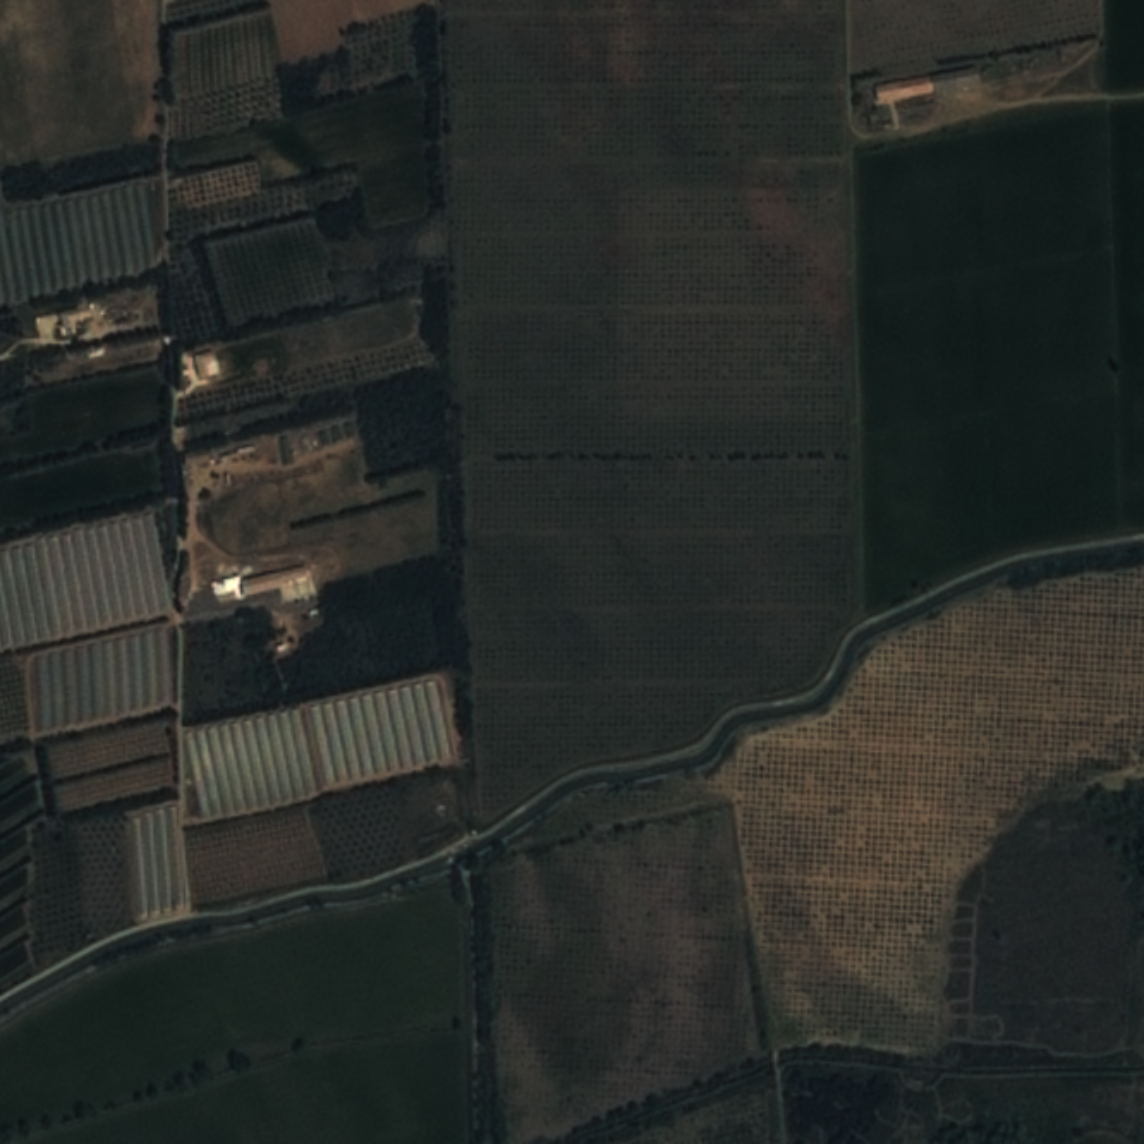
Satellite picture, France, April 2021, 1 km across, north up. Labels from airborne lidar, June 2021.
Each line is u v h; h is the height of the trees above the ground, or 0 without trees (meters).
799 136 0
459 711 6
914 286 0
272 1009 0
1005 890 0
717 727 0
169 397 9
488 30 0
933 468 0
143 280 7
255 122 6
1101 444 0
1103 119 0
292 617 0
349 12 0
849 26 0
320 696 8
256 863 0
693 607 0
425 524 0
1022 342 0
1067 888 0
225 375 0
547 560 0
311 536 0
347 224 6
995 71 0
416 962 0
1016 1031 0
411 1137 0
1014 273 0
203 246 12
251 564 0
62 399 0
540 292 0
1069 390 0
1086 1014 0
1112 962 0
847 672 0
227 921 0
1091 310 0
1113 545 0
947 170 0
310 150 0
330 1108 0
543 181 0
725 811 0
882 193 0
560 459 6
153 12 0
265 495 0
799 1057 10
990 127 0
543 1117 0
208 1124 0
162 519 6
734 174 0
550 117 0
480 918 8
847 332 0
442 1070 0
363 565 0
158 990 0
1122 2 0
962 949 0
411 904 0
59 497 0
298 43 0
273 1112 0
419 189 0
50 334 0
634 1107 8
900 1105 0
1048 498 0
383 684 8
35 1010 0
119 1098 0
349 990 0
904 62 0
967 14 0
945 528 0
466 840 0
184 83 0
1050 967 0
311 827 0
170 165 5
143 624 5
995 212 0
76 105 0
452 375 0
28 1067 0
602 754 0
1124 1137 0
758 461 7
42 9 0
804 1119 7
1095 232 0
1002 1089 0
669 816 0
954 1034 0
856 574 0
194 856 0
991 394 0
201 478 0
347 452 0
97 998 0
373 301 6
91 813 6
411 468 10
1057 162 0
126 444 9
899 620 0
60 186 6
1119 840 9
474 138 0
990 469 0
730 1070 9
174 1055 0
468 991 0
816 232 0
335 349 0
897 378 0
